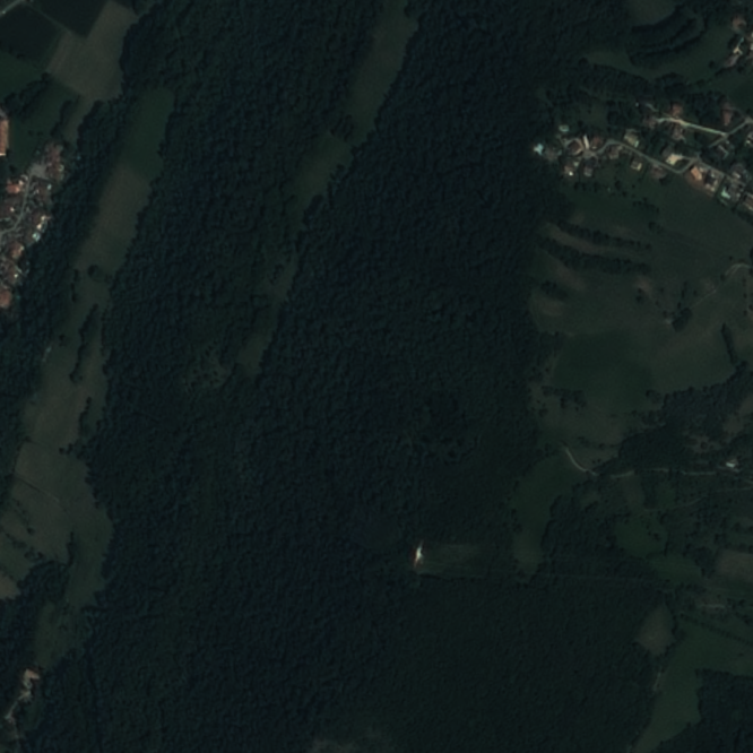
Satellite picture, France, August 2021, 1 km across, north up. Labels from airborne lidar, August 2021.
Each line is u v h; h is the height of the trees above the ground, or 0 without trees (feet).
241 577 57
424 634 43
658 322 0
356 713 27
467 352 68
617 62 0
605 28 63
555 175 32
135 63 71
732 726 66
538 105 55
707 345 0
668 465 27
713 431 25
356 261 71
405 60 0
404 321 80
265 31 39
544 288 30
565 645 75
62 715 69
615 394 0
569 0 79
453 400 28
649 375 0
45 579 62
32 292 44
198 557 70
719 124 31
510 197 77
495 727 36
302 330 73
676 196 0
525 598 68
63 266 63
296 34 72
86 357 40
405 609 65
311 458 71
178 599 54
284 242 33
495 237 61
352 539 23
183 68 34
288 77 76
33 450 0
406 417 58
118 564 54
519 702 55
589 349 0
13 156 26
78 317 0
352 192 67
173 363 55
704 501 22
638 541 0
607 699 57
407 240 70
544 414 32
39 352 38
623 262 41
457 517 39
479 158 74
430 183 75
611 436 0
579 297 0
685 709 0
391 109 50
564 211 52
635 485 0
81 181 48
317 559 71
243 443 35
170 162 19
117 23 0
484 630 58
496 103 80
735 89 0
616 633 56
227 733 57
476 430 53
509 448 34
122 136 46
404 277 82
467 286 60
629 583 71
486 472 37
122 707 60
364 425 65
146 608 74
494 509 47
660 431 32
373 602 56
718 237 0
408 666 28
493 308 56
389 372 80
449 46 75
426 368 84
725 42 0
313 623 68
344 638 57
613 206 0
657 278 0
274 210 52
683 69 0
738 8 22
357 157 47
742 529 48
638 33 61
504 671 62
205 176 41
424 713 20
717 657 0
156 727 57
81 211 40
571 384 0
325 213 50
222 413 73
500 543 45
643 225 0
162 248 36
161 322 66
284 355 72
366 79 0
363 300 73
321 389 66
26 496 0
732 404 29
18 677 35
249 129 72
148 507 41
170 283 68
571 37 76
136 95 49
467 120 77
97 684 63
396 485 61
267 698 77
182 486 58
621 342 0
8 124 0
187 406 42
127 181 0
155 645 61
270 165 51
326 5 68
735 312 0
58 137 27
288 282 0
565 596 66
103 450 48
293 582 64
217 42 45
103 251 0
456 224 75
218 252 64
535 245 41
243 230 55
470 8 76
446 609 43
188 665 38
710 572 39
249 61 48
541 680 46
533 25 60
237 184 69
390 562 21
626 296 0
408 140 53
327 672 74
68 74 0
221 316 47
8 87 0
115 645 48
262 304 46
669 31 67
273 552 68
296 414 76
